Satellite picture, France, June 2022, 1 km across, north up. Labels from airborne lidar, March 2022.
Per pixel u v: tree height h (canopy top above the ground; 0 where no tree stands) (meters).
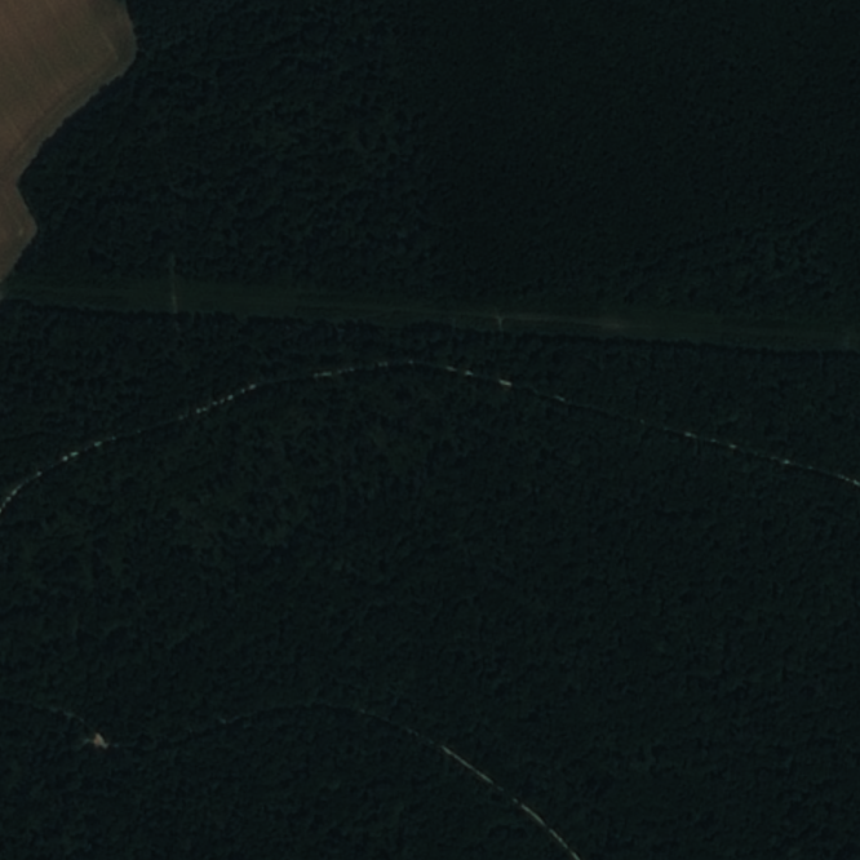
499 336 10
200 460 6
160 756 24
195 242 22
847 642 21
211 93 23
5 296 0
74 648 20
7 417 19
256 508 28
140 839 24
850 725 17
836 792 23
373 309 0
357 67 21
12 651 22
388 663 23
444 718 22
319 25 24
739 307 19
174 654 20
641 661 20
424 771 23
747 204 16
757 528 19
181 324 21
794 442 19
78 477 18
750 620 23
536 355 22
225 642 22
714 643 24
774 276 21
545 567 21
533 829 20
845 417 19
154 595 24
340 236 23
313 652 23
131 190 22
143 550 21
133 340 25
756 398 21
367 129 21
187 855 22
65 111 0
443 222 10
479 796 22
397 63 24
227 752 27
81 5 0
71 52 0
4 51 0
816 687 18
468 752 21
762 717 20
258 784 23
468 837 20
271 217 19
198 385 8
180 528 22
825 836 23
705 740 21
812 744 20
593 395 16
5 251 0
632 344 16
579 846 22
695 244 20
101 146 23
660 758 23
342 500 23
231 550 21
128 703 28
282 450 0
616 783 23
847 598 21
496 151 15
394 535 25
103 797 24
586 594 24
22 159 0
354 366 7
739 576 19
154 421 22
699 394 19
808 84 21
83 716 20
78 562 22
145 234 24
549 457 22
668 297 16
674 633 19
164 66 10
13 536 22
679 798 22
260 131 20
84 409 18
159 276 15
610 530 22
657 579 19
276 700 20
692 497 15
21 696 19
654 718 23
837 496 19
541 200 20
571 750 22
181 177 7
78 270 19
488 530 19
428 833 23
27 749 23
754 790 16
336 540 21
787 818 24
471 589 17
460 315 0
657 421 15
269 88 23
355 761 23
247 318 0
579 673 20
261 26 21
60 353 23
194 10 23
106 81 0
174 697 24
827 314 14
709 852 21
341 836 26
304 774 21
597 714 23
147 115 25
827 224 24
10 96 0
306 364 20
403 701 25
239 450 23
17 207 0
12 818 20
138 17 19
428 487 23
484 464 19
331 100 24
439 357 25
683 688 23
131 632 25
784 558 18
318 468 24
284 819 22
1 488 21
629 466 20
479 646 22
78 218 24
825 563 22
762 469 17
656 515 20
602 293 18
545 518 21
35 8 0
